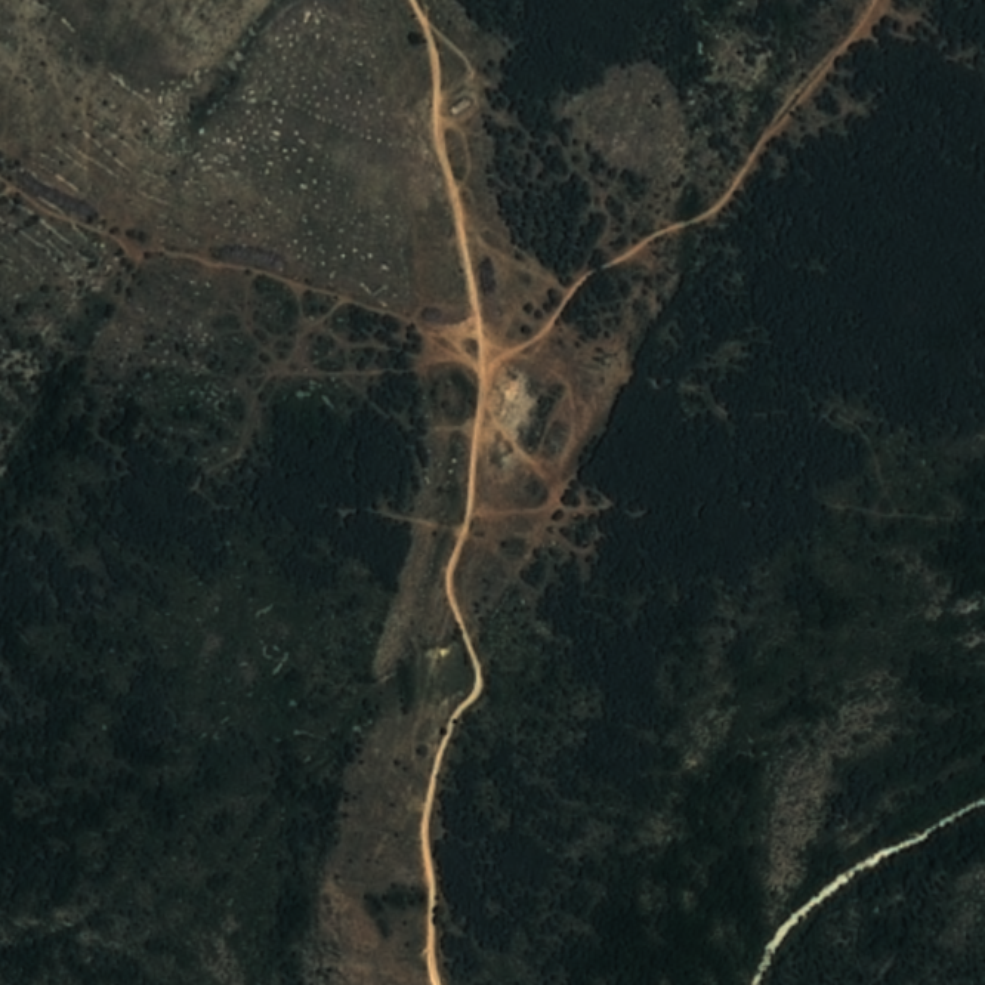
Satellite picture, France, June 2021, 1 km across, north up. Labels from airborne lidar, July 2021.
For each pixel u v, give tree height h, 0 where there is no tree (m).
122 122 0
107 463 9
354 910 0
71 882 9
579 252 12
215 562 7
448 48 0
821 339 11
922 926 7
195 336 0
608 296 8
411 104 0
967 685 14
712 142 8
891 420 7
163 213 0
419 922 0
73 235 0
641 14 13
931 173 15
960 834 8
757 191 8
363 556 10
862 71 11
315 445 14
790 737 6
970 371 12
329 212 0
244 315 0
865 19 0
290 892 9
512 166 13
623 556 9
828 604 8
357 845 0
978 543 10
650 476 11
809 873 7
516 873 11
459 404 0
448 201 0
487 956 0
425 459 10
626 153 0
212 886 8
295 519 9
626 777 7
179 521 8
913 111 15
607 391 0
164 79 0
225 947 0
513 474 0
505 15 9
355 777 0
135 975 6
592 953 11
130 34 0
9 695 10
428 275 0
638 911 10
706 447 10
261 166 0
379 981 0
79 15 0
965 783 6
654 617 8
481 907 10
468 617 0
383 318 7
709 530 11
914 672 10
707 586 8
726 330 8
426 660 0
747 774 11
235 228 0
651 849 6
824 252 8
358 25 0
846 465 8
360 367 8
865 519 9
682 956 11
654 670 7
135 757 9
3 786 8
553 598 9
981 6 13
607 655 8
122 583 9
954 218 15
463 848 10
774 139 11
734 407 8
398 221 0
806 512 9
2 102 0
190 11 0
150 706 8
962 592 8
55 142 0
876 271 12
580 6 12
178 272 0
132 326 0
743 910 14
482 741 8
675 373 8
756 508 12
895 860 15
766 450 6
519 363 0
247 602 0
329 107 0
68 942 7
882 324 10
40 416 9
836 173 11
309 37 0
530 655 0
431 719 0
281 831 7
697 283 7
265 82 0
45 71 0
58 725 12
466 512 0
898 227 12
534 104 12
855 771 13
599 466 12
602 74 11
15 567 11
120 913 6
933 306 12
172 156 0
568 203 9
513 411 0
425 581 0
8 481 7
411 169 0
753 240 8
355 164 0
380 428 9
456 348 0
